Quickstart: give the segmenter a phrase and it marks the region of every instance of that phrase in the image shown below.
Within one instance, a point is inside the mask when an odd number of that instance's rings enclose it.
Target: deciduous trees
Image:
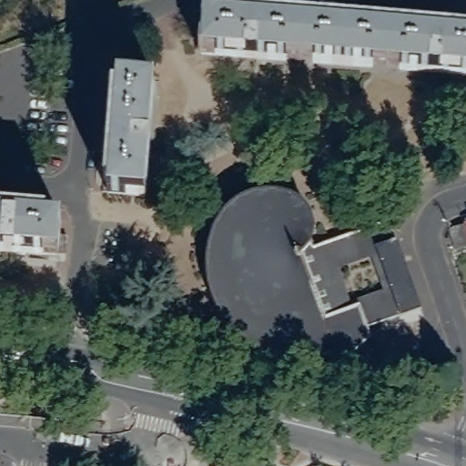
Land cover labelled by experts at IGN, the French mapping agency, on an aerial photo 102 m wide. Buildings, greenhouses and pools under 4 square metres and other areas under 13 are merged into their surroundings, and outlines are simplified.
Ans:
[[[71,40],[66,29],[55,27],[49,33],[35,35],[33,47],[31,58],[35,62],[36,76],[31,93],[36,93],[44,102],[53,96],[64,95],[71,53]]]
[[[326,93],[319,91],[304,93],[288,106],[284,102],[277,102],[273,109],[268,109],[260,100],[253,100],[246,109],[235,111],[226,124],[209,126],[206,133],[193,131],[184,140],[177,140],[175,147],[180,149],[180,153],[175,160],[169,162],[164,171],[166,178],[160,184],[158,206],[153,208],[153,218],[158,226],[166,226],[171,233],[178,235],[182,233],[182,229],[189,226],[195,235],[198,229],[204,228],[209,217],[213,217],[222,202],[218,175],[211,173],[208,162],[202,158],[209,151],[215,151],[215,147],[222,147],[229,142],[233,142],[235,146],[240,142],[244,147],[244,153],[251,155],[248,180],[257,184],[266,182],[289,182],[293,180],[295,169],[309,171],[311,158],[317,149],[315,135],[322,129],[331,127],[333,122],[346,122],[349,126],[348,138],[335,151],[331,162],[320,171],[320,187],[313,189],[313,195],[319,200],[322,211],[328,215],[331,228],[346,228],[348,231],[360,229],[357,238],[393,233],[406,228],[411,218],[419,217],[428,198],[426,189],[422,186],[420,178],[419,157],[426,157],[435,180],[441,186],[451,186],[453,182],[461,180],[461,177],[466,177],[466,87],[439,87],[435,91],[435,98],[426,100],[428,120],[424,122],[424,138],[420,138],[413,146],[408,144],[400,153],[391,151],[388,147],[386,122],[375,124],[366,113],[355,111],[344,102],[331,100]]]
[[[138,25],[135,29],[138,46],[146,58],[144,60],[151,62],[160,62],[162,56],[162,36],[155,22]]]
[[[49,162],[56,162],[56,158],[62,157],[64,146],[56,142],[55,131],[47,127],[42,131],[33,129],[33,135],[29,138],[36,167],[44,167]]]
[[[147,466],[142,457],[129,450],[122,455],[116,466]]]
[[[306,422],[319,420],[324,428],[335,430],[342,435],[348,433],[351,437],[359,439],[362,444],[370,442],[373,453],[379,453],[377,461],[399,464],[402,462],[400,455],[410,451],[411,444],[417,439],[415,420],[442,422],[450,415],[450,404],[455,404],[457,408],[466,400],[466,384],[459,362],[433,364],[426,359],[404,357],[399,360],[397,366],[386,366],[384,370],[375,371],[368,368],[366,362],[360,362],[326,362],[320,355],[320,349],[313,348],[308,340],[293,342],[280,357],[279,353],[273,353],[271,349],[262,348],[258,340],[253,339],[246,331],[229,324],[224,328],[218,324],[218,319],[206,322],[197,317],[184,315],[169,320],[160,315],[151,319],[151,326],[147,328],[133,328],[129,324],[124,324],[126,315],[120,315],[120,309],[124,306],[109,308],[106,304],[98,306],[98,311],[89,319],[89,328],[86,329],[89,335],[86,351],[95,353],[98,357],[98,362],[104,366],[102,375],[106,379],[131,380],[135,379],[138,373],[146,373],[153,379],[153,390],[162,391],[164,397],[167,393],[184,393],[182,404],[186,406],[195,404],[202,397],[209,397],[211,393],[217,393],[220,397],[220,404],[224,408],[222,413],[213,413],[211,419],[204,422],[202,428],[195,430],[189,437],[189,444],[193,446],[193,453],[197,455],[198,461],[206,462],[208,466],[275,466],[271,461],[277,455],[289,457],[293,450],[289,442],[293,442],[293,437],[289,435],[288,428],[280,422],[282,413],[288,415],[289,419]]]
[[[49,441],[47,437],[51,433],[66,433],[80,437],[91,435],[91,431],[96,430],[98,426],[98,420],[102,420],[102,413],[109,410],[111,400],[100,382],[95,382],[93,386],[84,382],[84,371],[80,368],[47,364],[47,348],[67,348],[73,339],[73,328],[78,326],[78,320],[75,319],[75,304],[71,302],[71,297],[64,295],[60,286],[53,291],[42,289],[38,293],[27,293],[16,286],[4,288],[0,284],[0,417],[42,417],[42,424],[36,431],[46,437],[44,441]]]
[[[209,69],[213,96],[220,91],[231,91],[235,87],[242,91],[249,89],[249,76],[253,73],[240,71],[240,66],[233,58],[215,56],[213,67]]]

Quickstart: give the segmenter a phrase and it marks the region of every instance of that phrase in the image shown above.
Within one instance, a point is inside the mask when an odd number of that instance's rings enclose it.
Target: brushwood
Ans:
[[[335,67],[340,78],[353,76],[360,86],[370,76],[366,69]]]
[[[186,22],[180,13],[175,20],[173,27],[180,33],[178,36],[182,40],[184,53],[193,55],[197,51],[198,35],[191,36],[187,33]]]

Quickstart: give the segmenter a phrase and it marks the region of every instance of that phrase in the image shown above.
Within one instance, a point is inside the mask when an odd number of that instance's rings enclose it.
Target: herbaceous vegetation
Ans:
[[[20,260],[20,255],[0,251],[0,284],[4,288],[16,286],[27,293],[38,293],[42,289],[53,291],[60,286],[64,295],[71,297],[71,277],[67,275],[69,260],[56,262],[53,268],[35,271]]]
[[[377,282],[377,273],[371,257],[362,257],[349,262],[348,268],[344,266],[340,269],[344,273],[348,271],[346,288],[349,289],[349,299],[340,304],[342,308],[382,288]]]
[[[64,0],[0,0],[0,47],[9,46],[18,40],[33,47],[35,35],[49,33],[55,27],[66,29]]]
[[[162,56],[160,62],[151,62],[149,71],[153,73],[157,84],[153,111],[153,126],[157,129],[164,126],[166,116],[180,116],[184,118],[184,122],[191,122],[195,113],[209,111],[211,107],[217,106],[213,96],[209,69],[213,67],[215,56],[200,55],[197,51],[193,55],[184,53],[182,40],[178,36],[180,33],[173,27],[175,20],[158,16],[155,22],[162,36]]]
[[[360,86],[353,76],[340,78],[335,67],[333,67],[324,84],[319,87],[319,91],[326,93],[331,100],[344,102],[355,111],[366,113],[375,124],[386,122],[388,147],[391,151],[400,153],[408,144],[413,146],[420,138],[424,138],[424,122],[428,120],[426,100],[435,98],[435,91],[439,87],[466,87],[466,75],[426,69],[391,71],[384,56],[375,56],[373,66],[366,69],[370,76]]]
[[[62,253],[69,257],[73,249],[73,218],[66,208],[62,208]]]
[[[218,175],[222,202],[226,204],[238,193],[257,184],[248,180],[251,155],[244,153],[244,147],[240,142],[235,146],[233,142],[229,142],[222,147],[215,147],[215,151],[209,151],[202,158],[208,162],[211,173]]]
[[[160,242],[171,240],[166,249],[169,257],[173,257],[173,262],[177,277],[175,299],[164,302],[164,309],[160,311],[160,315],[169,320],[184,315],[197,317],[206,322],[218,319],[218,324],[224,328],[229,324],[231,317],[228,308],[220,308],[215,304],[206,271],[206,246],[209,231],[215,220],[213,217],[209,217],[204,228],[198,229],[195,235],[189,226],[182,229],[182,233],[178,235],[171,233],[166,226],[158,226],[155,233],[160,237]]]
[[[420,178],[422,186],[426,189],[430,182],[435,180],[426,157],[419,157]]]
[[[266,182],[268,186],[286,189],[299,187],[300,195],[313,211],[313,233],[317,233],[313,242],[337,237],[348,231],[346,228],[331,228],[328,215],[322,211],[319,200],[313,195],[313,189],[320,187],[320,171],[331,162],[335,151],[348,138],[349,126],[346,122],[333,122],[331,127],[322,129],[315,135],[317,149],[311,158],[309,171],[295,169],[293,180],[289,182]]]

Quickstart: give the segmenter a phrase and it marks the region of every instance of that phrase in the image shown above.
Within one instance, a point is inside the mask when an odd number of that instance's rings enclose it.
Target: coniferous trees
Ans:
[[[131,279],[126,279],[124,288],[113,293],[106,304],[109,308],[124,306],[120,309],[120,315],[126,315],[124,324],[129,324],[133,328],[147,328],[151,326],[151,319],[160,315],[160,311],[164,309],[164,302],[175,299],[177,277],[173,262],[167,264],[157,260],[155,266],[146,266],[138,258],[135,275]]]

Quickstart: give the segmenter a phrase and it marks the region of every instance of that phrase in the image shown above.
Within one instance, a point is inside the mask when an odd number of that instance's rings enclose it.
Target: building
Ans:
[[[109,69],[102,164],[106,167],[107,177],[111,180],[113,195],[144,195],[147,186],[149,146],[157,129],[153,126],[153,111],[157,84],[153,73],[149,71],[151,62],[144,60],[118,58],[115,60],[115,66]]]
[[[20,255],[40,255],[42,249],[62,253],[62,208],[58,200],[46,200],[40,193],[0,191],[0,251]]]
[[[251,56],[260,58],[262,64],[280,64],[289,58],[295,58],[302,60],[308,67],[333,67],[335,67],[366,69],[373,66],[375,56],[384,56],[391,71],[426,69],[466,75],[466,13],[388,5],[348,4],[328,0],[202,0],[198,35],[197,51],[200,55],[215,56],[233,58]]]
[[[451,257],[459,257],[461,253],[466,253],[466,222],[453,226],[448,238],[451,244]]]
[[[209,231],[206,246],[206,271],[215,304],[220,308],[228,308],[231,317],[229,324],[246,331],[253,339],[258,340],[262,348],[271,349],[273,353],[279,353],[280,357],[293,342],[308,340],[313,348],[320,349],[320,355],[326,362],[360,362],[359,348],[370,339],[370,326],[388,324],[397,328],[402,322],[406,322],[410,326],[411,322],[417,322],[422,317],[422,311],[417,308],[417,289],[411,280],[410,269],[400,251],[399,242],[391,240],[393,233],[357,238],[360,229],[348,231],[337,237],[313,242],[317,233],[313,233],[313,211],[300,195],[299,187],[286,189],[268,186],[266,182],[257,184],[238,193],[226,204],[222,202],[213,217],[215,220]],[[344,273],[340,269],[344,266],[348,268],[349,262],[362,257],[371,257],[377,273],[377,282],[382,288],[342,308],[340,304],[349,299],[349,289],[346,288],[348,271]]]

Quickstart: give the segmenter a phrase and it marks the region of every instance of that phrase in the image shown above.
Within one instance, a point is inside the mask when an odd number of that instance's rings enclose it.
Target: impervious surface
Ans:
[[[459,362],[466,384],[466,253],[461,253],[459,257],[451,257],[451,244],[448,238],[453,226],[466,222],[466,177],[461,177],[461,180],[453,182],[451,186],[441,186],[435,180],[430,182],[426,189],[428,198],[419,217],[411,218],[406,228],[393,233],[391,240],[399,242],[400,251],[410,269],[411,280],[417,289],[417,308],[422,311],[422,317],[417,322],[411,322],[410,326],[406,322],[402,322],[397,328],[388,324],[370,326],[370,339],[359,348],[360,362],[366,362],[368,368],[375,371],[384,370],[386,366],[397,366],[399,360],[404,357],[426,359],[433,364]]]
[[[466,0],[328,0],[348,4],[388,5],[466,13]]]
[[[195,430],[202,428],[204,422],[211,419],[213,413],[222,413],[224,408],[220,404],[220,397],[217,393],[211,393],[209,397],[202,397],[195,404],[186,406],[182,404],[184,393],[167,393],[164,397],[162,391],[153,390],[153,379],[146,373],[138,373],[135,379],[131,380],[106,379],[102,375],[104,366],[98,362],[98,357],[95,353],[86,351],[89,335],[86,329],[89,328],[89,319],[98,311],[98,306],[106,304],[113,293],[124,288],[126,279],[131,279],[135,275],[138,258],[146,266],[155,266],[157,260],[167,264],[173,262],[173,257],[169,257],[166,249],[171,240],[160,242],[160,237],[155,233],[158,226],[153,218],[153,208],[158,206],[160,184],[166,178],[164,171],[169,162],[175,160],[180,153],[180,149],[175,147],[177,140],[184,140],[193,131],[206,133],[209,126],[226,124],[235,111],[246,109],[253,100],[260,100],[268,109],[273,109],[277,102],[284,102],[288,106],[304,93],[319,91],[319,87],[324,84],[333,67],[308,67],[302,60],[295,58],[289,58],[280,64],[262,64],[260,58],[251,56],[233,58],[240,66],[240,71],[253,73],[249,76],[249,89],[242,91],[235,87],[231,91],[220,91],[213,96],[217,106],[211,107],[209,111],[195,113],[191,122],[184,122],[184,118],[180,116],[166,116],[164,126],[157,129],[149,146],[147,186],[144,195],[113,195],[111,180],[107,177],[106,167],[102,164],[109,69],[115,66],[115,60],[118,58],[144,60],[146,58],[138,46],[135,29],[138,25],[155,22],[158,16],[175,20],[180,13],[186,22],[187,33],[191,36],[198,35],[202,0],[64,0],[66,29],[71,40],[71,53],[64,95],[53,96],[44,102],[36,93],[31,93],[36,76],[35,62],[31,58],[33,47],[18,40],[9,46],[0,47],[0,191],[40,193],[46,200],[58,200],[62,208],[66,208],[73,218],[73,249],[69,257],[62,253],[42,249],[40,255],[20,255],[20,260],[35,271],[53,268],[56,262],[69,260],[67,275],[71,277],[71,297],[71,302],[75,304],[75,319],[78,320],[78,326],[73,328],[73,339],[67,348],[47,348],[47,364],[80,368],[84,371],[84,382],[93,386],[95,382],[100,382],[111,400],[109,410],[102,413],[102,420],[98,420],[98,426],[96,430],[91,431],[91,435],[80,437],[66,433],[51,433],[47,437],[49,441],[44,441],[46,437],[36,431],[42,424],[42,417],[0,417],[0,466],[116,466],[122,455],[129,450],[142,457],[147,466],[208,466],[206,462],[198,461],[197,455],[193,453],[193,446],[189,444],[189,437]],[[29,138],[33,135],[33,129],[42,131],[47,127],[55,131],[56,142],[64,146],[62,157],[56,158],[56,162],[49,162],[44,167],[36,167]]]
[[[399,464],[377,461],[379,453],[373,453],[370,442],[362,444],[359,439],[351,437],[348,433],[342,435],[335,430],[324,428],[319,420],[306,422],[289,419],[288,415],[282,413],[280,422],[288,428],[289,435],[293,437],[293,442],[289,442],[293,450],[289,457],[277,455],[271,461],[275,466],[466,466],[466,400],[457,408],[455,404],[450,404],[450,415],[442,422],[415,420],[417,439],[411,444],[410,451],[400,455],[402,462]]]

